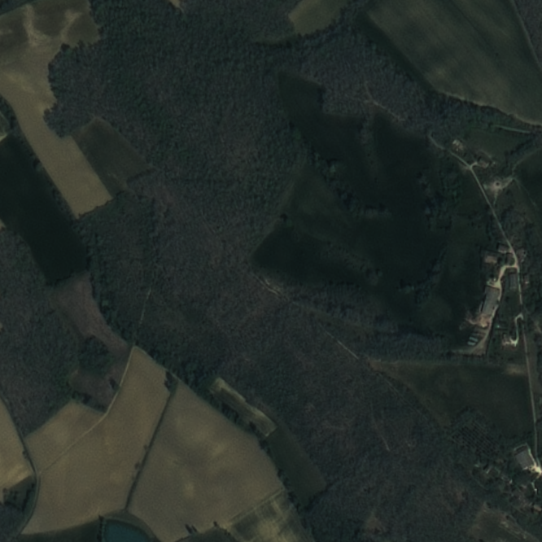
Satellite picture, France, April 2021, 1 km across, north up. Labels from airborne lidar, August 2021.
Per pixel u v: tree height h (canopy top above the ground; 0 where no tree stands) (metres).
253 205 11
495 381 0
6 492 9
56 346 18
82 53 10
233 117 13
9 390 14
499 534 0
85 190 0
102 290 16
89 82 11
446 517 14
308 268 0
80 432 0
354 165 0
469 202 0
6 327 15
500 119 18
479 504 19
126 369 0
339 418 7
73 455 0
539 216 0
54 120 18
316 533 19
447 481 15
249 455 0
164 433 0
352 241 0
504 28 0
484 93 0
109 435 0
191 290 12
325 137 0
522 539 0
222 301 12
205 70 13
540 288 12
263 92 22
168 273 14
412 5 0
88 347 17
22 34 0
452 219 14
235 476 0
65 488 0
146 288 8
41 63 0
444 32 0
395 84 26
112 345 0
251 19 23
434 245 0
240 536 0
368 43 8
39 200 0
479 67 0
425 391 0
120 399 0
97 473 0
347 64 19
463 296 0
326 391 6
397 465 9
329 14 0
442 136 14
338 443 6
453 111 17
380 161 0
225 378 17
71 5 0
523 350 0
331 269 0
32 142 0
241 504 0
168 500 0
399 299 0
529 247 13
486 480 10
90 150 0
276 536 0
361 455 9
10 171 0
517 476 10
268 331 7
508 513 20
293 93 0
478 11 0
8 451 0
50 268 0
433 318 0
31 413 13
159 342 7
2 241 17
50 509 0
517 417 0
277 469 0
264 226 13
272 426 0
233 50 20
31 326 19
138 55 14
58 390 22
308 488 0
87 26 0
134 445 0
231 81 17
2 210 0
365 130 18
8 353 17
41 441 0
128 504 0
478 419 11
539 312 10
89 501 0
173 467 0
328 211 0
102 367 17
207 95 13
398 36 0
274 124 19
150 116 13
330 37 14
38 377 19
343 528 23
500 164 0
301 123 0
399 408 10
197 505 0
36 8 0
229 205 11
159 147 15
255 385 7
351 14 17
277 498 0
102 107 16
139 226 6
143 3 18
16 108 0
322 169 9
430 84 0
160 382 0
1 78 0
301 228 0
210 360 8
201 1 20
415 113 16
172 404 0
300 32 0
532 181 0
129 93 14
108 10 13
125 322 12
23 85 0
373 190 0
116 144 0
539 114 0
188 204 15
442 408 0
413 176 0
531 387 0
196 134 16
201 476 0
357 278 0
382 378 8
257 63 23
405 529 17
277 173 17
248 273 7
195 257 16
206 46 14
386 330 19
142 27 17
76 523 0
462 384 0
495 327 6
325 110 21
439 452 16
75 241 0
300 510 26
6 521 21
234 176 16
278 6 20
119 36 14
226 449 0
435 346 21
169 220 14
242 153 12
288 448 0
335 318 14
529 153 11
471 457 15
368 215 14
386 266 0
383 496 9
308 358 8
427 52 0
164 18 19
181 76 15
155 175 15
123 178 0
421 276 0
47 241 0
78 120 17
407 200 0
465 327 0
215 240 12
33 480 0
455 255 0
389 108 16
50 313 10
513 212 13
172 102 10
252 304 9
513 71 0
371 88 9
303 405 8
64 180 0
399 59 0
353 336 8
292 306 10
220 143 12
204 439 0
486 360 12
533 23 18
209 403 28
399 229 0
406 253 0
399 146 0
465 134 7
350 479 11
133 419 0
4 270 17
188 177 11
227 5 19
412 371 0
